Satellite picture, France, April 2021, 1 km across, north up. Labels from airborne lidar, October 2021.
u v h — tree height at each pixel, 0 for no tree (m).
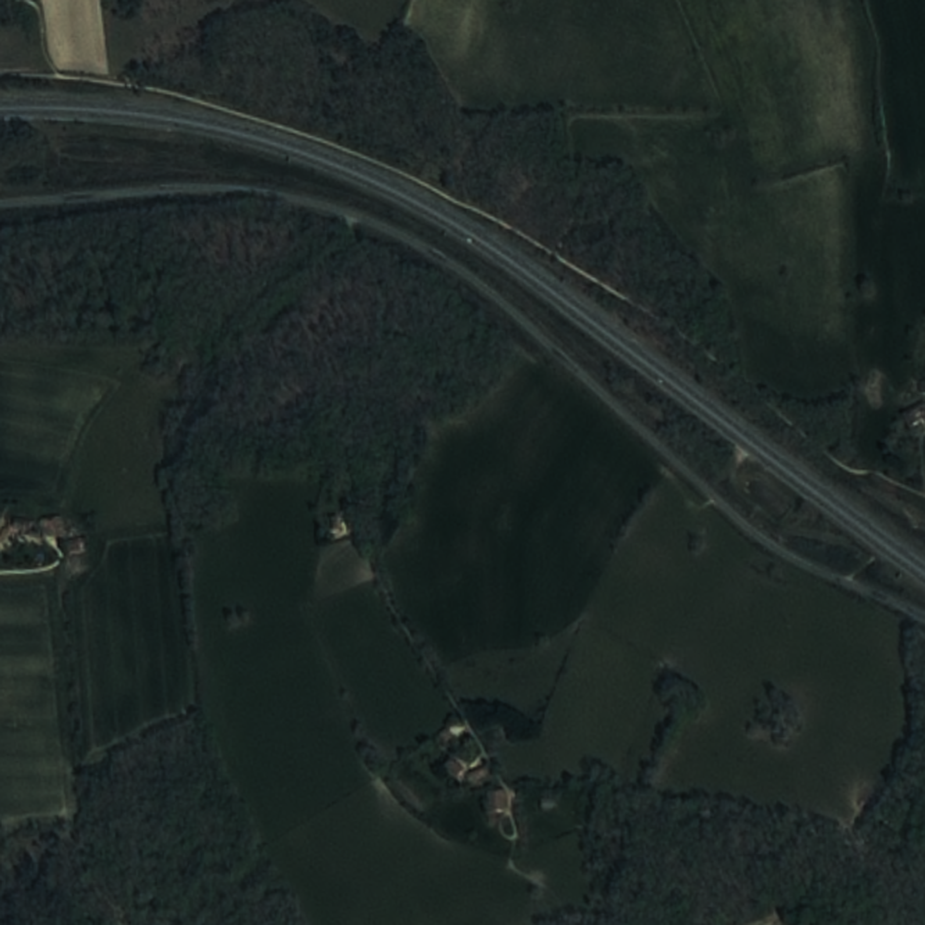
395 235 0
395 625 11
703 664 0
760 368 0
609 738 0
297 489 0
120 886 24
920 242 0
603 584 0
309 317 18
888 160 0
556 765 0
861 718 0
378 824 0
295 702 0
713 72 0
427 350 19
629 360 0
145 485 0
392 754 0
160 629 0
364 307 20
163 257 20
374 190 0
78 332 11
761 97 0
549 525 0
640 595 0
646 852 21
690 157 0
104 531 0
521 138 21
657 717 0
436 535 0
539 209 12
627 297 19
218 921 13
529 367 0
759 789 0
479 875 0
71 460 0
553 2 0
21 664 0
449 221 0
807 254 0
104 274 14
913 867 23
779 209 0
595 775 22
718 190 0
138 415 0
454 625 0
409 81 21
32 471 0
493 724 12
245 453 22
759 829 19
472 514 0
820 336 0
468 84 0
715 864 24
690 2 0
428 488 0
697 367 14
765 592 0
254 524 0
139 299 23
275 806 0
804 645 0
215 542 0
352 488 8
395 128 19
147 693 0
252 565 0
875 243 0
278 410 20
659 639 0
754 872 21
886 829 12
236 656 0
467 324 23
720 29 0
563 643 0
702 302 16
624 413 0
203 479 24
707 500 0
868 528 0
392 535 7
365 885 0
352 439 21
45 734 0
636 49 0
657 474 0
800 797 0
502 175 24
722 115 0
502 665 0
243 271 22
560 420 0
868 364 0
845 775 0
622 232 15
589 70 0
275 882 17
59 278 13
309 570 0
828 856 21
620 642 0
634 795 22
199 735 18
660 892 21
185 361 17
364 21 0
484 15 0
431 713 0
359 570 0
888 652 0
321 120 17
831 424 21
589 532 0
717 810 19
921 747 21
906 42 0
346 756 0
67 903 18
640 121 0
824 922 24
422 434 19
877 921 21
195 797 26
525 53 0
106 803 16
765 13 0
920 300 0
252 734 0
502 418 0
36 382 0
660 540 0
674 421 16
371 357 16
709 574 0
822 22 0
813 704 0
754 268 0
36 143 15
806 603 0
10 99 0
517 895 0
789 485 0
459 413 23
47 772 0
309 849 0
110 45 0
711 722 0
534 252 9
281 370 17
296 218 10
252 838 19
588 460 0
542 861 0
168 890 22
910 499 0
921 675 19
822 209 0
